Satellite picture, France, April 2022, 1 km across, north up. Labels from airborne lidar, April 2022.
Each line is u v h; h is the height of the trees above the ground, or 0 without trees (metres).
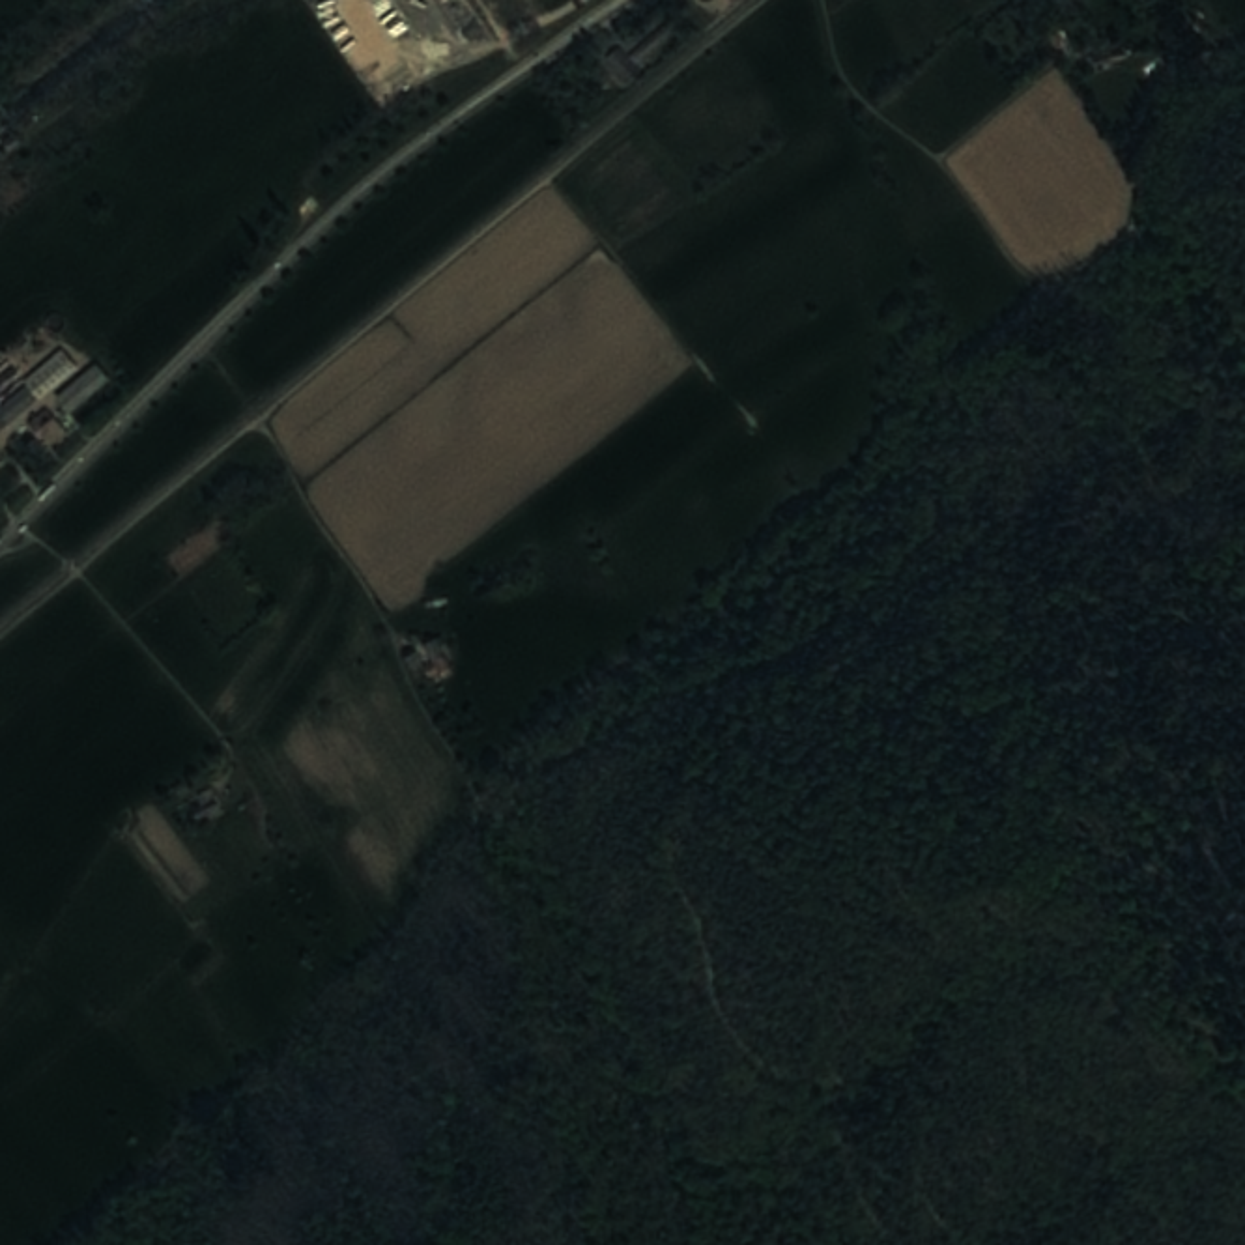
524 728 0
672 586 0
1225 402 23
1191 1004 18
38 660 0
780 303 0
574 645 0
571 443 0
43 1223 0
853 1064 23
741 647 14
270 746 0
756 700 22
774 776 19
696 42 15
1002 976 18
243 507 20
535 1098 23
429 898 19
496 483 0
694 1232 14
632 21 6
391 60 0
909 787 13
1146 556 30
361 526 0
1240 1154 16
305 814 0
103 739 0
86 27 20
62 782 0
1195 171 13
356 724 0
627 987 26
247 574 11
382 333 0
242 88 0
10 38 18
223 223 0
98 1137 0
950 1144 14
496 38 0
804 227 0
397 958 23
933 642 22
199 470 0
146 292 0
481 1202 27
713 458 0
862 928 13
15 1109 0
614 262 0
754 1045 12
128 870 0
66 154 11
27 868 0
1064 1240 18
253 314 9
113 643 0
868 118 14
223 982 0
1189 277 24
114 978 0
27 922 0
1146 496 28
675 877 12
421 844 0
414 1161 25
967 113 0
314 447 0
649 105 0
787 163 0
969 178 0
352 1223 15
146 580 0
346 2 0
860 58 0
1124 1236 11
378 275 0
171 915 0
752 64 0
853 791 22
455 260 0
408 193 0
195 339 0
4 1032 0
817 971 13
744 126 0
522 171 0
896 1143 16
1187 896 19
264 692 0
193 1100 0
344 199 0
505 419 0
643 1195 13
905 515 22
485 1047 28
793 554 23
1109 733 26
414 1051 22
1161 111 16
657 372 0
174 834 0
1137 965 18
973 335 0
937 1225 14
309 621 0
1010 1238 16
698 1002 8
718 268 0
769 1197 13
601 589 0
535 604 0
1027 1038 13
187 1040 0
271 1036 0
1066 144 0
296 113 0
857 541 19
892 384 13
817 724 20
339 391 0
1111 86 0
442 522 0
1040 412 25
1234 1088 15
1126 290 21
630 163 0
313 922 7
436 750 0
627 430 0
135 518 0
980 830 21
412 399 0
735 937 12
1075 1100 12
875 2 0
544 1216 25
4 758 0
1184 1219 13
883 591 16
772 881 14
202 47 15
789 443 0
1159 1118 18
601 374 0
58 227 0
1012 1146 12
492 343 0
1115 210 0
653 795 18
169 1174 28
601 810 13
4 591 0
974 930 13
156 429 0
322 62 0
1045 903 13
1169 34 16
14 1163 0
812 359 0
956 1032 15
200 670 0
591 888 13
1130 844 26
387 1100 24
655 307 0
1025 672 11
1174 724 31
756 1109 16
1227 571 24
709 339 0
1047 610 27
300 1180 21
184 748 0
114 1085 0
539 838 18
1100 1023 18
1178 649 34
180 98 0
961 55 0
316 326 0
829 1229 26
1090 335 21
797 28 0
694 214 0
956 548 16
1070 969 20
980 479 22
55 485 0
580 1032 9
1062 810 18
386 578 0
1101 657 25
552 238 0
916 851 20
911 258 0
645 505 0
